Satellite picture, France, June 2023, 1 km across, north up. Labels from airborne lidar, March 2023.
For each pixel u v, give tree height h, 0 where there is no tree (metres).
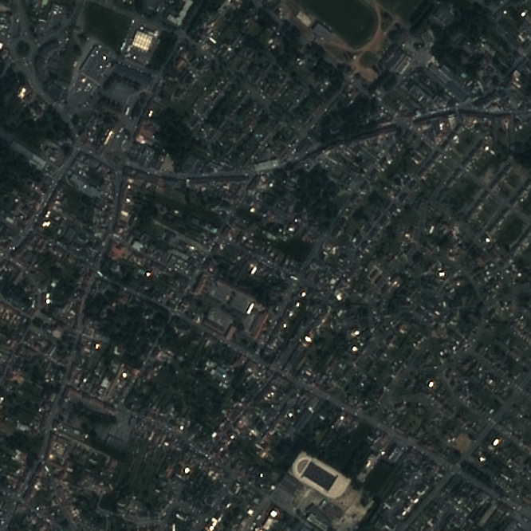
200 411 13
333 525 0
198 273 0
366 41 0
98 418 11
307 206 14
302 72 0
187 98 0
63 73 0
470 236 0
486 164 0
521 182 0
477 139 0
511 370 0
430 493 0
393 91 0
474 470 11
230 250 0
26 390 0
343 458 0
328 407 9
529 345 0
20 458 0
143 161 0
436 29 13
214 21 0
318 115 0
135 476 0
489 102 0
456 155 0
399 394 0
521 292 0
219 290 0
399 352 0
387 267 0
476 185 0
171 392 0
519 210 0
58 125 10
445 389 0
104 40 0
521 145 12
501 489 12
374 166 0
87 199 15
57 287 10
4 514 0
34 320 0
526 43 0
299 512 8
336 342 7
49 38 0
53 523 0
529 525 0
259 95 0
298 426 0
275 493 0
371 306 0
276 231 8
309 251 0
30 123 13
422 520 0
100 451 0
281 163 0
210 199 13
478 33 8
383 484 0
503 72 13
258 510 0
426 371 0
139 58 0
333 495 0
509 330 0
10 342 0
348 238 0
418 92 0
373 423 0
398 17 0
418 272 0
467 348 0
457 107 0
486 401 0
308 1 0
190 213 0
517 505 0
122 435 0
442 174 0
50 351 0
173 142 10
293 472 0
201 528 0
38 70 0
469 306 0
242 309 0
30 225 0
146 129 0
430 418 0
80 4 0
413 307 0
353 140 0
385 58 0
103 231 0
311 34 0
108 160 0
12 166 13
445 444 0
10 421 0
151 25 0
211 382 0
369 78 0
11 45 0
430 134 0
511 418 0
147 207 11
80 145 0
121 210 0
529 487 0
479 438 0
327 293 0
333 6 0
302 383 0
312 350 0
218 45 0
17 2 0
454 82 0
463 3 0
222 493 0
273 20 9
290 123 13
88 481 0
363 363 0
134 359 8
